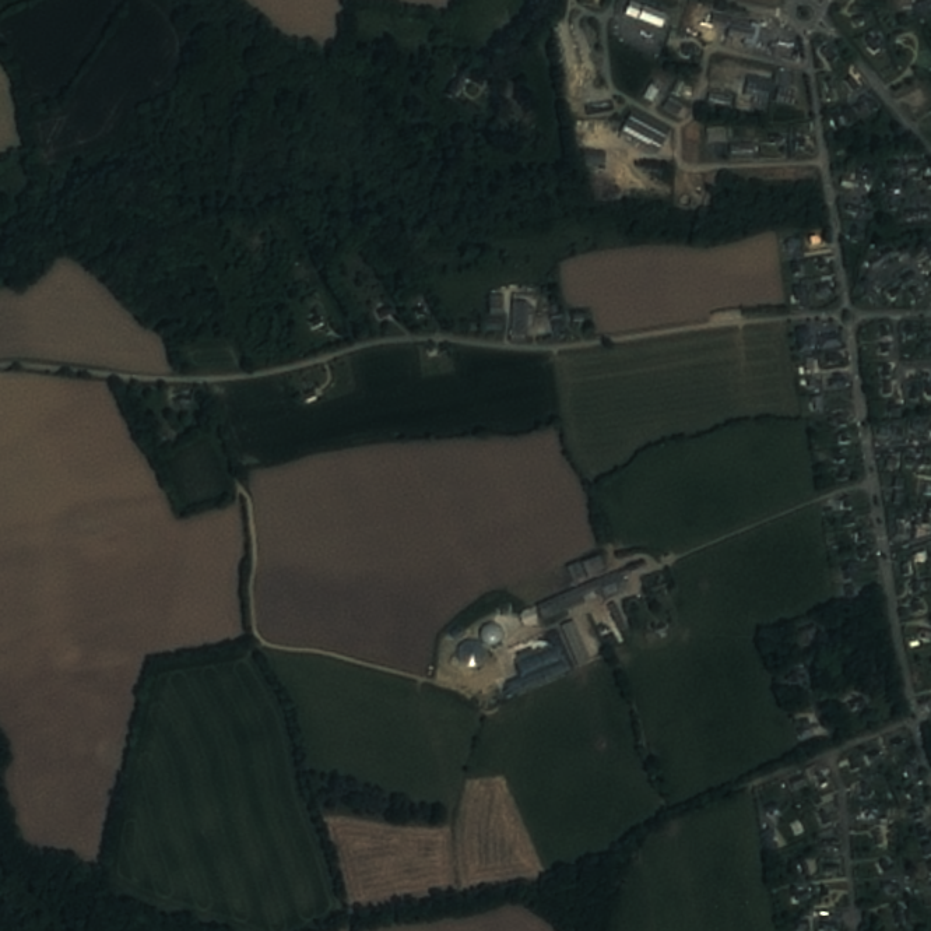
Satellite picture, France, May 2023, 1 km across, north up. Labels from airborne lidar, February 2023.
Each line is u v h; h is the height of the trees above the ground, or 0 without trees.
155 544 0
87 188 25
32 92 0
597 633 0
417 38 0
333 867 12
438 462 0
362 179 11
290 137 6
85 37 0
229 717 0
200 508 7
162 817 0
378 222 26
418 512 0
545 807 0
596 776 0
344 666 0
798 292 0
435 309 18
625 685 14
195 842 0
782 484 0
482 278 0
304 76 11
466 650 0
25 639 0
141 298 25
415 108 28
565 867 16
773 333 0
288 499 0
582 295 0
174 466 0
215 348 0
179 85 9
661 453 0
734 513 0
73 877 20
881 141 17
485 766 0
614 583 0
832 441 0
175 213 25
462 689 0
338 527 0
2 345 0
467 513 0
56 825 0
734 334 0
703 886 0
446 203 15
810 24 0
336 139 13
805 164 0
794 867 12
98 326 0
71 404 0
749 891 0
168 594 0
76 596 0
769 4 0
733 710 0
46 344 0
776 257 0
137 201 27
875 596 20
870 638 20
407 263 29
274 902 0
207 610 0
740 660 0
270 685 11
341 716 0
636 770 0
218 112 7
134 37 0
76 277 0
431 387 0
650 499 0
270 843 0
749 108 0
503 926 0
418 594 0
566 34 0
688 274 0
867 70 0
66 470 0
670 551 0
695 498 0
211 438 0
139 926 22
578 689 0
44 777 0
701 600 0
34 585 0
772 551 0
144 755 0
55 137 0
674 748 0
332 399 0
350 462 0
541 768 0
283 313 17
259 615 0
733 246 0
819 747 18
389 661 0
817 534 0
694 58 9
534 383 0
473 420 0
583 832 0
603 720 0
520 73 11
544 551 0
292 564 0
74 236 21
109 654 0
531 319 0
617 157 0
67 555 0
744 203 7
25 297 0
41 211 13
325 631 0
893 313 0
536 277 0
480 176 22
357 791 15
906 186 10
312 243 21
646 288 0
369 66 18
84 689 0
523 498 0
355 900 0
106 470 0
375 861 0
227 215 19
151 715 0
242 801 0
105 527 0
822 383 0
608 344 18
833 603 12
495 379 0
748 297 0
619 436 0
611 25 0
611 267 0
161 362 0
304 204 24
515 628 0
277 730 0
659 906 0
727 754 0
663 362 0
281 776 0
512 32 15
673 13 0
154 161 24
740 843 0
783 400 0
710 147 0
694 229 12
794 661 18
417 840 0
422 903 13
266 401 0
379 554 0
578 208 8
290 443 0
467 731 0
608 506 0
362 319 16
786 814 0
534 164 9
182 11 18
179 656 12
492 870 0
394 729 0
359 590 0
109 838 14
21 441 0
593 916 22
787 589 0
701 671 0
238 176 7
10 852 20
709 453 0
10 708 0
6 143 0
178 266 24
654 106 0
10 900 8
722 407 0
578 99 0
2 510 0
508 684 0
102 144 0
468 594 0
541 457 0
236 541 0
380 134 12
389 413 0
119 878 0
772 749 0
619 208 9
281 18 0
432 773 0
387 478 0
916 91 0
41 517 0
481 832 0
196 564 0
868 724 15
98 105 0
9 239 16
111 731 0
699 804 7
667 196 0
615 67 0
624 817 0
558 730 0
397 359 0
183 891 0
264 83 13
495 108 24
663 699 0
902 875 0
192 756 0
